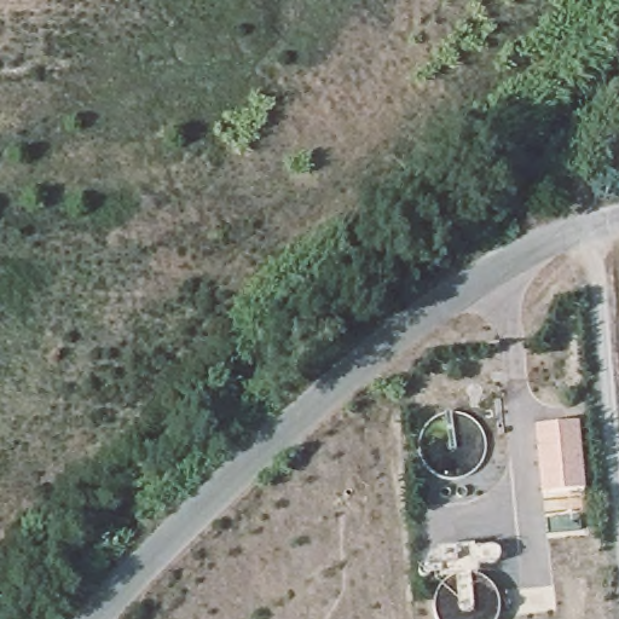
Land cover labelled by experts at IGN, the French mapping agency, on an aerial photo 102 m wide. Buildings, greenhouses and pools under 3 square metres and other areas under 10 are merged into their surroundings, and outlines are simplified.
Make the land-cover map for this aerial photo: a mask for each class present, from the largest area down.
<instances>
[{"label":"herbaceous vegetation","instance_id":"1","mask_svg":"<svg viewBox=\"0 0 619 619\"><path fill-rule=\"evenodd\" d=\"M259 0H0V143L7 135L19 133L22 162H36L31 174L41 184L36 189V198L44 206H56L73 191L82 196L80 213L89 215L102 208L104 191H118L128 186L133 198L140 201V210L128 220V225L114 227L109 235L51 230V239L44 247L48 264L44 266H34L27 259L7 256L0 261V525L5 520L15 522L19 513L34 508L39 498L36 488L56 481V476L63 474L68 464L94 457L99 452L94 442L99 435V426L114 423L121 409H135L138 401L152 394L157 375L169 363L179 360L177 353L181 348L193 346L203 322L213 319L215 324H220L232 310L235 293L244 288V280L251 278L266 264L268 256H278L283 251V244L290 239L293 230H312V225L322 215L329 213L331 201L339 193L353 191L358 179L370 177L372 169L389 164L397 138L411 140L416 145L421 126L428 123V118L438 121L440 114H445L450 106H457L464 118L472 109H493V104H488V92L496 89L503 80L520 73L515 63L505 70H493V58L498 48L484 46L479 53L472 51V65L462 68V75L447 70L442 80L418 77V70H426L428 65L426 48L421 44H428V34L438 29V24H455L457 19L469 22L472 15L467 10V2L484 0H288L280 12V41L288 46V51L283 53V63L288 68L283 70V75L276 77L273 68H266L259 77L254 65L256 56L251 44L247 41V34L254 31L256 22L266 19L264 12L256 7ZM251 89H256L264 97H271L273 109H268V116L259 128L256 140H249L244 147H239V155L227 152L225 164L213 167L208 155H191L186 150L184 157L174 162L172 155L164 152L157 133L162 126H172L181 133L184 143L191 145L213 128L222 111L247 106ZM288 152H307L312 157L310 172H300L295 181L283 169V155ZM551 0H527L525 5H501V15L491 19L493 27L498 22H508V31L498 39L501 46L505 41L520 44V34H527L532 27L539 24V17L546 12ZM604 268L612 276L614 285V382L619 404V247L612 244L609 249ZM590 285L585 266L578 259L568 256L556 254L527 288L522 305V329L530 336H534L544 326L549 305L556 295ZM527 368L532 392L537 394L542 389H549L561 399L554 409H546L549 421L580 423L585 404L568 406L563 397L571 387L580 384V343L571 341L566 351L530 353ZM496 401H510V392L505 382L493 380L481 370L476 377L467 380L430 375L428 384L416 394V404L433 406H450L455 411V406L469 404L486 416ZM406 464L404 435L401 413L397 411L389 421V428L370 426L365 435H355L353 428H343L339 435L329 438L317 450V455L305 469H297L288 481L271 486L264 493L261 505L251 515L254 525L264 527V534L244 537L242 556L218 559L206 583H201L174 612L177 619H440L435 600H413L409 580V525L404 508ZM585 488L575 493L544 496V510L559 513L546 520V534L551 539L554 588H525L520 592L522 604L517 607L513 619H619V527L617 542H600L592 530H583L578 525L575 515L583 510Z\"/></svg>","mask_w":619,"mask_h":619},{"label":"deciduous trees","instance_id":"2","mask_svg":"<svg viewBox=\"0 0 619 619\"><path fill-rule=\"evenodd\" d=\"M288 0H259L256 7L264 12L266 19L256 22L254 31L247 34V41L251 44L256 56L254 65L259 77L266 68H273L276 77L283 75V70L288 68L283 63V53L288 51V46L280 41V12ZM525 5L527 0H484L467 2V10L472 15L469 22L457 19L455 24H438V29L428 34V44H421L426 48L428 65L426 70H418V77L442 80L447 70L462 75V68L472 65V51L479 53L484 46L498 48L493 58V70H505L515 63L520 73L503 80L496 89L488 92V104H493V109H472L464 118L457 106H450L445 114H440L438 121L428 118V123L421 126L416 145L411 140L397 138L389 164L372 169L370 177L358 179L353 191L339 193L331 201L329 213L322 215L312 225V230H293L290 239L283 244V251L278 256H268L266 264L251 278L244 280V288L235 293L232 310L220 324H215L213 319L203 322L193 346L181 348L177 353L179 360L169 363L157 375L152 394L138 401L135 409H121L114 423L99 426V435L94 442L99 452L94 457L68 464L63 474L56 476V481L36 488L39 498L34 508L19 513L15 522L5 520L0 525V619H77L92 614L104 602H109L114 597L116 583H128L140 571L135 549L140 546V542L157 530L162 520L174 515L186 498L196 496L215 469L235 459L237 452H244L254 442L268 440L273 435L280 413L288 404L297 399L300 392H305L312 382L319 389H331L339 382V377L368 363V355L375 353L377 343H397L411 324H416L423 317L426 307L445 302L457 295V288L467 280L469 264L479 254L520 239L522 235H527V230L542 222L619 203V0H551L546 12L539 17V24L532 27L527 34H520V44L505 41L501 46L498 39L508 31V22H498L493 27L491 19L501 15V5ZM268 109H273L271 97H264L256 89H251L247 106L222 111L213 128L191 145L184 143L181 133L172 126H162L157 133L164 152L172 155L174 162L184 157L186 150L191 155H208L213 167L225 164L227 152L239 155V147H244L249 140H256L259 128L268 116ZM19 133L7 135L0 143V261L7 256L27 259L34 266H44L48 264L44 247L51 239V230L109 235L114 227L128 225V220L140 210V201L133 198L128 186L118 191H104L102 208L89 215L80 213L82 196L73 191L56 206H44L36 198V189L41 184L31 174L36 162H22ZM312 157L307 152H288L283 155V169L295 181L300 172H310ZM602 302V293L600 288L590 285L556 295L549 305L544 326L534 336H530L525 339V348L530 353L566 351L571 341L580 343V384L571 387L563 397L568 406L585 404L580 423L585 488L583 510L575 515L578 525L583 530H592L600 542H617L619 527V484L612 481V474L617 469L614 459H609V455H614V435L612 426L604 423L602 394L597 389V305ZM498 355L493 343H452L430 348L423 358L413 360L411 372L377 377L365 389L370 392L375 406L387 404L397 411L401 413L404 435L418 430L433 416V406L416 404V394L428 384L430 375L467 380L476 377L481 370V360ZM297 447L278 452L273 457V467L261 469L259 479L271 484L273 472H280L288 481L297 469H293L288 462ZM418 476L406 464L404 508L409 525V580L413 600H430L433 595L426 588V575L418 573V568L430 546L426 517L430 508L421 503Z\"/></svg>","mask_w":619,"mask_h":619},{"label":"impervious surface","instance_id":"3","mask_svg":"<svg viewBox=\"0 0 619 619\"><path fill-rule=\"evenodd\" d=\"M602 237L609 249L612 244L619 247V203L542 222L527 230V235H522L520 239L479 254L469 264L467 280L457 288V295L445 302L426 307L423 317L416 324H411L397 343H377L375 353L368 355V363L339 377V382L331 389H319L312 382L305 392H300L297 399L288 404L280 413L273 435L268 440L254 442L244 452H237L235 459L215 469L196 496L186 498L174 515L162 520L157 530L140 542V546L135 549L140 571L128 583H116L114 597L109 602H104L92 614L77 619H121L131 604L145 600L150 585L198 542L203 532L210 530L215 520L225 517L244 493L254 488L259 479L261 469L273 467V457L278 452L297 447L314 435L317 428H329L331 416L353 401L358 389H365L377 377L411 372L413 360L423 358L430 348L452 343H493L498 355L481 360V370L493 380L505 382L510 392V401H496L486 416L493 426L496 447L491 464L484 472H474V484L457 486L440 481L426 472H421L418 476L421 503L430 508L426 517L430 546L445 542L498 544L501 551L515 563L510 578L515 580L520 592L525 588H554L551 539L546 534V520L559 513L544 510V496L539 486L534 426L549 421L546 409H554L561 399L549 389H542L537 394L532 392L527 368L530 353L525 348V339L530 336L522 329V305L527 288L556 254L568 256L571 249L583 244L585 239Z\"/></svg>","mask_w":619,"mask_h":619},{"label":"building","instance_id":"4","mask_svg":"<svg viewBox=\"0 0 619 619\"><path fill-rule=\"evenodd\" d=\"M433 416L418 430L404 435L406 464L418 476L421 472H426L440 481L457 486L474 484V472H484L491 464L496 447L493 426L486 416L469 404L455 406V411L450 406H433ZM539 486L544 496L575 493L585 488L580 423L549 421L534 426ZM515 563L501 551L498 544L445 542L430 546L418 568V573L426 575V588L433 595L430 600H435L440 619H513L517 607L522 604L520 592L515 580L510 578Z\"/></svg>","mask_w":619,"mask_h":619},{"label":"brushwood","instance_id":"5","mask_svg":"<svg viewBox=\"0 0 619 619\"><path fill-rule=\"evenodd\" d=\"M397 411L387 404L375 406L370 392L365 389H358L353 401L331 416L329 428H317L314 435L297 447L288 462L293 469H305L317 455V450L329 438L339 435L343 428H353L355 435H365L370 426L389 428V421ZM288 481L280 472H273L271 484L259 479L254 488L244 493L225 517L215 520L210 530L203 532L198 542L150 585L145 600L131 604L121 619H177L174 612L201 583H206L218 559L242 556L244 537L264 534V527L254 525L251 515L261 505L264 493L271 486Z\"/></svg>","mask_w":619,"mask_h":619},{"label":"pervious surface","instance_id":"6","mask_svg":"<svg viewBox=\"0 0 619 619\"><path fill-rule=\"evenodd\" d=\"M609 249L602 237L585 239L583 244L571 249L568 256L578 259L585 266L590 285L600 288L602 293V302L597 305V389L602 394L604 423L612 426L614 435V455H609V459H614L617 469L612 474V481L619 484V404L614 382V285L612 276L604 268Z\"/></svg>","mask_w":619,"mask_h":619}]
</instances>
